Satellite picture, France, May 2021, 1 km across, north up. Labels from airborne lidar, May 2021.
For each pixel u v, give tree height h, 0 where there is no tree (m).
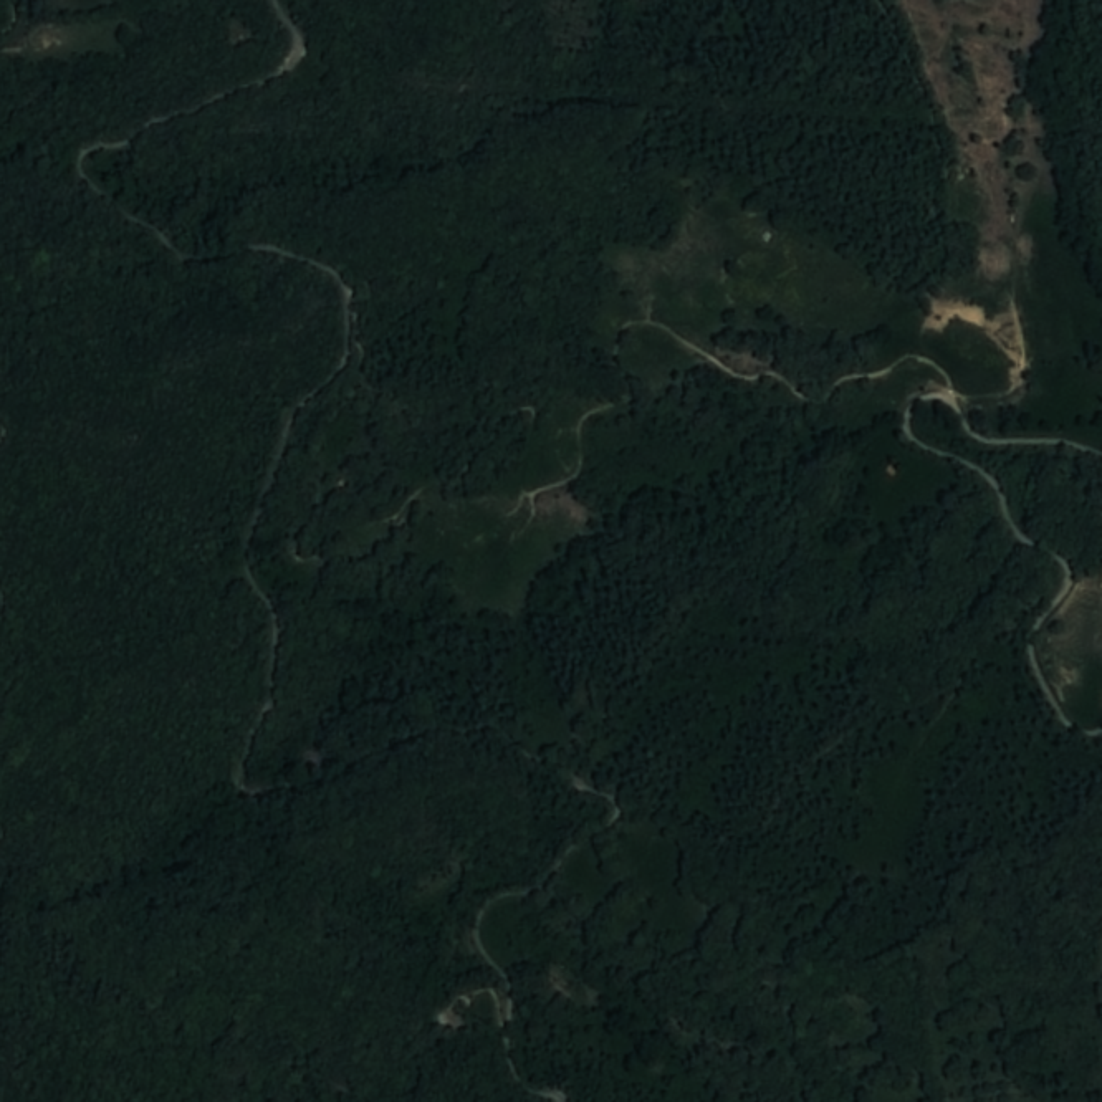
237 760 13
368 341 13
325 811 18
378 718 21
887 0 15
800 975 14
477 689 13
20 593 8
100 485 9
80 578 9
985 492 10
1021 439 0
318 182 18
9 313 15
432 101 7
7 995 10
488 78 9
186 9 11
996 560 18
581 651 11
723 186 17
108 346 8
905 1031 16
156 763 7
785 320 14
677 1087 8
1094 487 15
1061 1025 0
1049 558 17
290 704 18
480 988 10
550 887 12
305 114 6
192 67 8
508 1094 12
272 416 7
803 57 14
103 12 12
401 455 12
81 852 15
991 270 0
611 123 16
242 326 7
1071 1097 14
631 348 12
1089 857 18
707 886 13
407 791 17
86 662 9
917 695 15
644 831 0
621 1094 13
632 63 16
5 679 8
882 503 0
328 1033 12
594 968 14
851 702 16
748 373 0
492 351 20
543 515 0
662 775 8
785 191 14
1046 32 14
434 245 14
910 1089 15
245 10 12
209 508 9
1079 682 0
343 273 10
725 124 7
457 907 19
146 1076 9
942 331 0
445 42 14
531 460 0
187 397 6
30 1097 9
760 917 18
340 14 11
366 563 14
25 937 10
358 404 14
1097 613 0
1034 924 17
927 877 12
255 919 16
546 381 16
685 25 16
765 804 14
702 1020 16
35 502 12
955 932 16
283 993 12
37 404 7
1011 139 11
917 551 8
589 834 14
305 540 17
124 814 13
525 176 12
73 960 13
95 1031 9
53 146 11
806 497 18
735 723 8
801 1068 10
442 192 16
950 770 12
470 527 0
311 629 11
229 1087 17
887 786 0
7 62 8
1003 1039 19
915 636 19
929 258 11
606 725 10
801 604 13
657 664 12
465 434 14
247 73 11
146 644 9
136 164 15
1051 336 0
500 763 13
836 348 15
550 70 7
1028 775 14
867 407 0
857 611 16
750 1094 9
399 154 15
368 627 23
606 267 19
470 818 12
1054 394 0
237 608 10
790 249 0
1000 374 0
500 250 15
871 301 0
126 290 14
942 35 0
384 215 15
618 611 11
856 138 11
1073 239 18
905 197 12
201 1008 9
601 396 12
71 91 9
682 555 15
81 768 7
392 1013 16
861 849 0
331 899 14
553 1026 9
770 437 20
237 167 18
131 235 7
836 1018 17
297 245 13
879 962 16
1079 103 13
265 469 11
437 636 20
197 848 24
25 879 20
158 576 10
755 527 9
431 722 18
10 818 10
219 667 10
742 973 17
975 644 16
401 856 14
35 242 11
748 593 21
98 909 18
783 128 16
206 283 14
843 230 14
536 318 12
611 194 16
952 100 0
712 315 0
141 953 16
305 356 6
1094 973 15
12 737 6
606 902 6
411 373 16
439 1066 10
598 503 15
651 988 17
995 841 11
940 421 11
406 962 16
